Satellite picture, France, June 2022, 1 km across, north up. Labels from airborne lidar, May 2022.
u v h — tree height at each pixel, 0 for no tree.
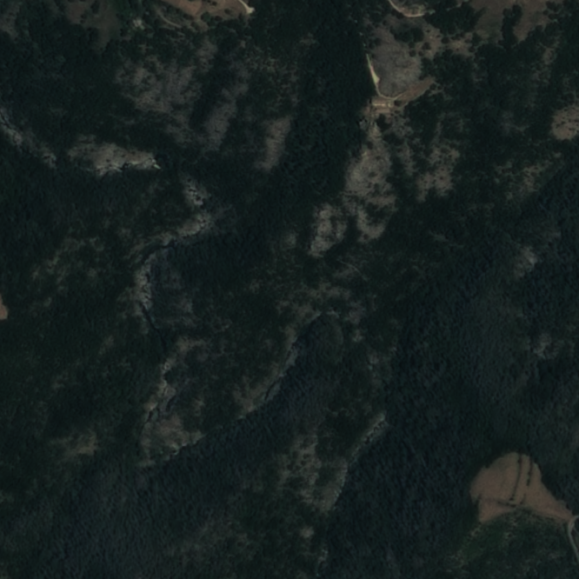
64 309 13
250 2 11
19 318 13
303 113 15
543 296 13
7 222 6
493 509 0
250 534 10
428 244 20
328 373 9
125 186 7
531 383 15
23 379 13
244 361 11
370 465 8
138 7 19
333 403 14
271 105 6
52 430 9
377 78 0
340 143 15
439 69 13
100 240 9
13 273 15
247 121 7
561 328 16
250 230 20
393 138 13
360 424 10
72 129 15
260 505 6
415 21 0
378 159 7
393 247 11
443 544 10
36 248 17
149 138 12
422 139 7
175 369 10
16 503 9
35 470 9
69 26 12
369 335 7
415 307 16
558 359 14
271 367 6
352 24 13
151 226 11
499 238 13
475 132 11
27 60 11
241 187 11
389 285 7
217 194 7
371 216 8
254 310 15
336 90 19
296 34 11
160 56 7
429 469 13
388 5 9
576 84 8
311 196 11
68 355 13
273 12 8
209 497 12
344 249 14
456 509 13
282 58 10
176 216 7
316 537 13
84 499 15
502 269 19
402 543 7
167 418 7
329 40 16
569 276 15
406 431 8
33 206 13
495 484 0
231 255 15
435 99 14
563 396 14
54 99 12
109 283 18
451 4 15
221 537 9
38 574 16
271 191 19
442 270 11
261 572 9
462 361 17
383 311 14
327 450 19
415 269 6
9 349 15
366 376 7
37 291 6
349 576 6
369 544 9
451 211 15
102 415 10
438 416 12
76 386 12
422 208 13
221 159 7
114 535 9
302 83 11
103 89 12
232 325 8
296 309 6
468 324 18
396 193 7
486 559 10
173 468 13
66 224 14
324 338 14
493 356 15
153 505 15
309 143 17
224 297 10
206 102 15
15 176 18
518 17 10
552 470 10
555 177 15
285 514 7
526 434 16
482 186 11
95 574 9
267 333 12
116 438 7
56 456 8
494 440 15
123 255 13
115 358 9
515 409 14
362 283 11
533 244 6
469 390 12
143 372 15
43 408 8
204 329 10
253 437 14
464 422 11
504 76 9
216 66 12
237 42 7
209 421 10
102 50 8
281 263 9
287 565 11
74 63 13
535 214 7
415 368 16
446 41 13
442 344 16
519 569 9
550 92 13
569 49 8
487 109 12
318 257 6
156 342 15
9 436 13
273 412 7
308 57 13
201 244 8
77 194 15
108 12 0
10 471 10
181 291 7
